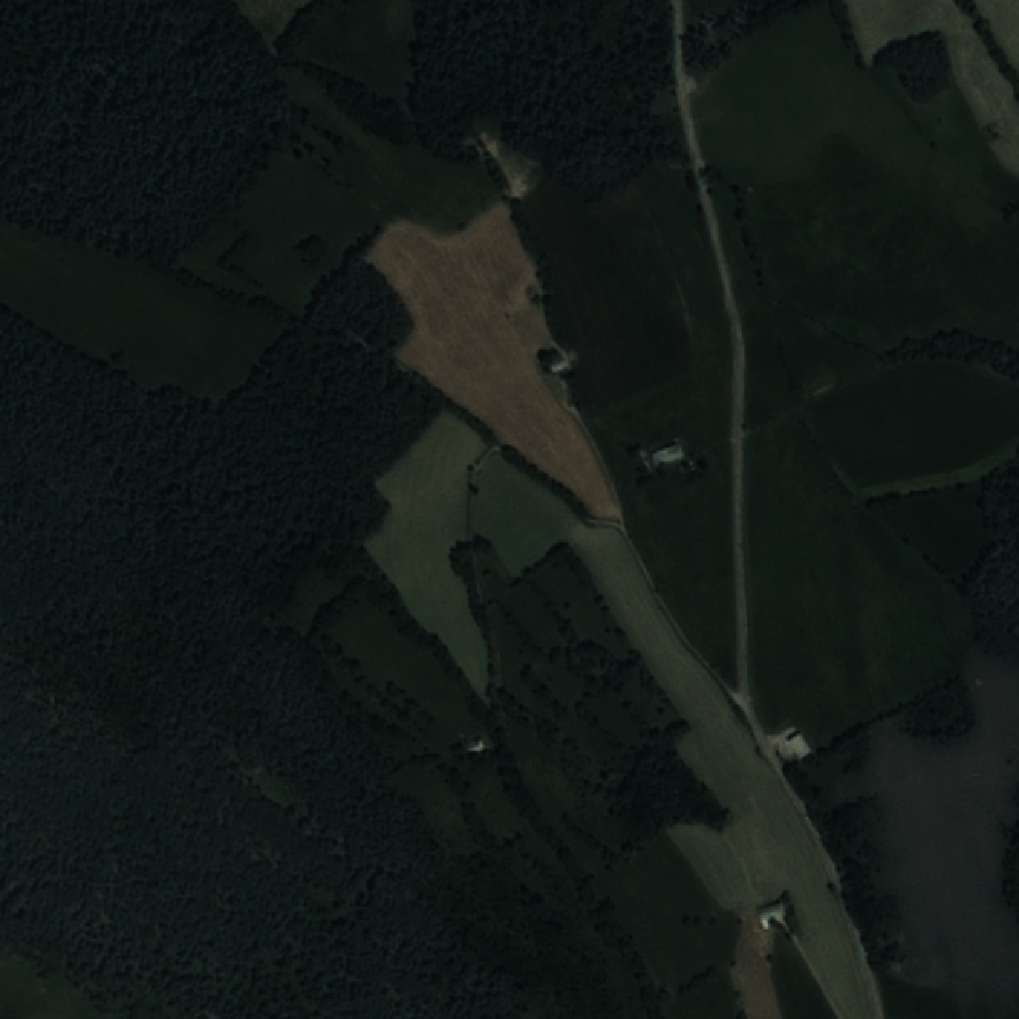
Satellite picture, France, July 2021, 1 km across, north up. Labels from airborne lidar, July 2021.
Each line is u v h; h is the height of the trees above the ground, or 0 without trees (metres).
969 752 0
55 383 15
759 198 0
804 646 0
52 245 0
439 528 0
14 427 20
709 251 0
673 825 10
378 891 16
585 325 0
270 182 0
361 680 9
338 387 23
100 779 14
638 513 0
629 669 17
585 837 9
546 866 11
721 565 0
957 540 0
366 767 18
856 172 0
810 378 0
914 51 18
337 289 22
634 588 0
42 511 19
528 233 11
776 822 0
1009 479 12
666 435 0
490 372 0
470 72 23
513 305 0
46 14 18
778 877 0
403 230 0
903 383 0
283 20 0
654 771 28
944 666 0
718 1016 0
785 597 0
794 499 0
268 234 0
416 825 16
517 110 31
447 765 11
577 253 0
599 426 0
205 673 19
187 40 6
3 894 9
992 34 18
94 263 0
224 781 15
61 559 19
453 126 17
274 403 15
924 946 0
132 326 0
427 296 0
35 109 25
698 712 0
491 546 12
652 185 0
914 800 0
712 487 0
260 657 18
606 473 0
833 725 0
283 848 9
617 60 15
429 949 14
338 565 15
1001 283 0
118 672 7
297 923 14
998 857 0
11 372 26
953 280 0
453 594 0
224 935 12
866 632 0
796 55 0
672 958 0
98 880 12
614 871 10
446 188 0
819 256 0
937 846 0
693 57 8
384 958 14
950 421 0
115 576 14
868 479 0
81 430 15
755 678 0
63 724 7
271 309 19
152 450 8
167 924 11
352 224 0
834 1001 0
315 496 20
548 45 9
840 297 0
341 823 15
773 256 0
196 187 22
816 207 0
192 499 18
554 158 18
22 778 12
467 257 0
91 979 9
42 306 0
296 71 9
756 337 0
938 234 0
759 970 0
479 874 13
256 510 26
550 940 8
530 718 11
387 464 15
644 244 0
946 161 0
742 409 0
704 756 0
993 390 0
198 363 0
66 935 12
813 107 0
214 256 0
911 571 0
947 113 0
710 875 0
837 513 0
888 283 0
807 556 0
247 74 27
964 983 0
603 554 0
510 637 0
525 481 0
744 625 0
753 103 0
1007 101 0
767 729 0
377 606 9
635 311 0
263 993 13
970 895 0
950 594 0
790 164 0
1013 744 0
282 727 18
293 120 18
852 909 19
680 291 0
